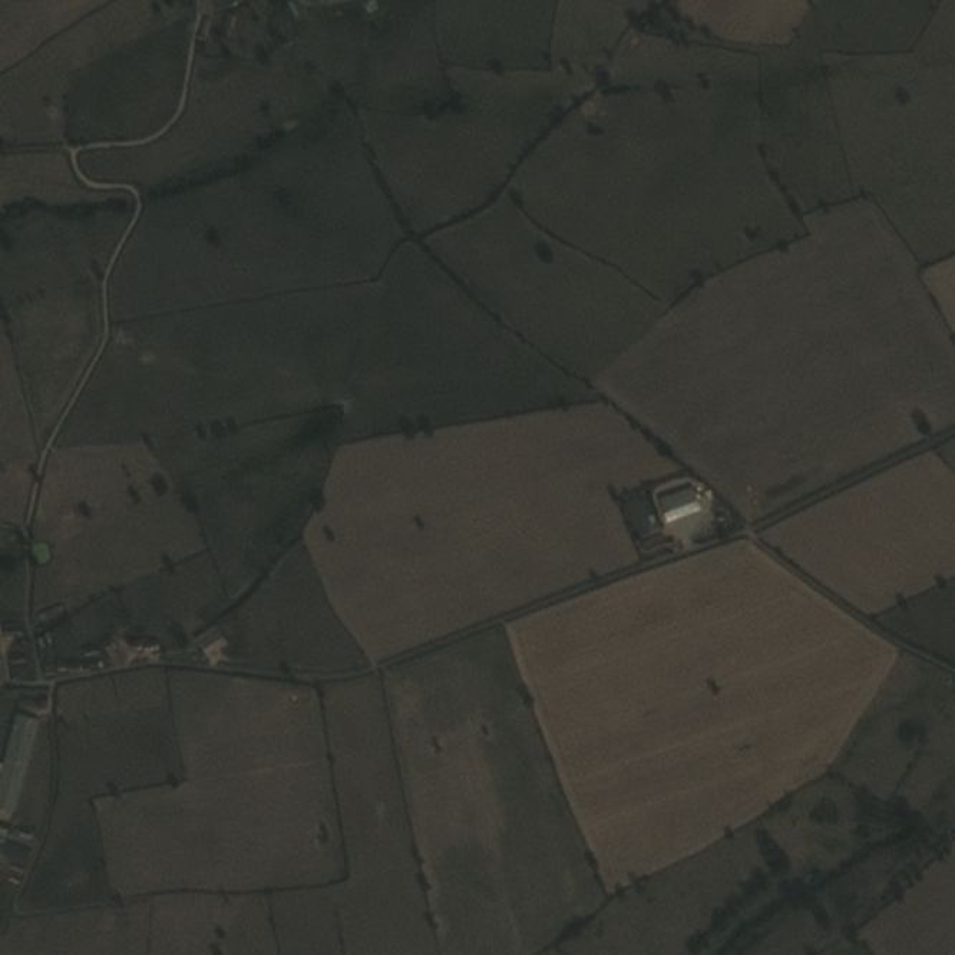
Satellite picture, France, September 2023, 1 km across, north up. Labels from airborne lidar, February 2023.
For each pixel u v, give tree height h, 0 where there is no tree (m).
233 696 0
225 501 0
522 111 0
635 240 0
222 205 0
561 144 0
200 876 0
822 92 0
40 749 0
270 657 0
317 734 0
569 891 0
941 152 0
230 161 0
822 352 0
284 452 0
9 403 0
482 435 0
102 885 0
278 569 0
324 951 0
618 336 0
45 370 0
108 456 0
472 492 0
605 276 0
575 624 0
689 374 0
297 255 0
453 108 10
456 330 0
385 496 0
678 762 0
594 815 0
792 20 0
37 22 0
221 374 0
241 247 0
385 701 0
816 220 0
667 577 0
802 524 0
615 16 0
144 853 0
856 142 0
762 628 0
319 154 0
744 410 0
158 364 0
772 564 0
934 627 0
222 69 0
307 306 0
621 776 0
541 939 0
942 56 0
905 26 0
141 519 0
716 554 0
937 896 0
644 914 0
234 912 0
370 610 0
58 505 0
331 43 0
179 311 0
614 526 0
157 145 0
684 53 0
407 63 0
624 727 0
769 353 0
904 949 0
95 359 0
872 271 0
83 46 0
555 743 0
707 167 0
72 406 0
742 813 0
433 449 0
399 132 0
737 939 8
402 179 0
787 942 0
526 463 0
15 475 0
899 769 0
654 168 0
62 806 0
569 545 0
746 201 0
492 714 0
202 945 0
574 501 0
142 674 0
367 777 0
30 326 0
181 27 0
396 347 0
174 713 0
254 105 0
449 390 0
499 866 0
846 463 0
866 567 0
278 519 0
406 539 0
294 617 0
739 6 0
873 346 0
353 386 0
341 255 0
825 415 0
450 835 0
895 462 0
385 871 0
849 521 0
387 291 0
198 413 0
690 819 0
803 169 0
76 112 0
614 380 0
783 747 0
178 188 6
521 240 0
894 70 0
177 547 0
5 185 0
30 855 0
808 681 0
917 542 0
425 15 0
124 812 0
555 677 0
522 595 0
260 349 0
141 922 0
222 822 0
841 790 0
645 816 0
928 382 0
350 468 0
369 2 0
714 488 0
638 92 0
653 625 0
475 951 0
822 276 0
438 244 0
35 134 0
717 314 0
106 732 0
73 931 0
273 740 0
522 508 0
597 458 0
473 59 0
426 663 0
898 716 0
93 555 0
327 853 0
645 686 0
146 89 0
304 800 0
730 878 0
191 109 0
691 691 0
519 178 0
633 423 10
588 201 0
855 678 0
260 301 0
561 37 0
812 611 0
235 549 0
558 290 0
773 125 0
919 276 0
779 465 0
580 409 0
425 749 0
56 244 0
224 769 0
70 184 0
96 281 0
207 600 0
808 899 15
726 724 0
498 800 0
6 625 0
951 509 0
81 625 0
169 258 0
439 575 0
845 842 0
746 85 0
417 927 0
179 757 0
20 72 0
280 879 0
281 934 0
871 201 0
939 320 0
